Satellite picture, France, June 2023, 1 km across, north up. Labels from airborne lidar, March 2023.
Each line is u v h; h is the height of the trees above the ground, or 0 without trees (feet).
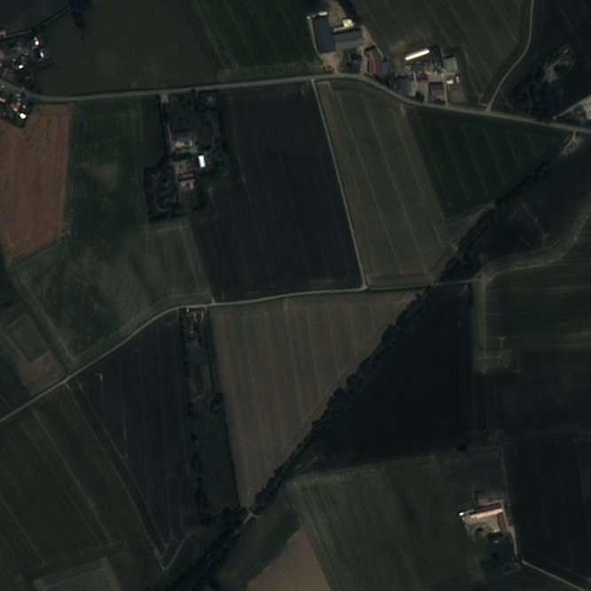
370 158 0
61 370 0
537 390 0
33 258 0
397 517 0
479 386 0
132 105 0
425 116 0
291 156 0
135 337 0
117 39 0
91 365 0
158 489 0
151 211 25
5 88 0
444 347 0
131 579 0
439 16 0
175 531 0
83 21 43
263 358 0
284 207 0
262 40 0
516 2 0
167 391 0
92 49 0
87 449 0
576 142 0
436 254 0
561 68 41
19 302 0
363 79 0
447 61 0
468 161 0
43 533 0
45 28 25
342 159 0
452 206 0
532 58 0
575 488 0
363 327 0
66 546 0
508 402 0
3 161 0
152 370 0
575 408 0
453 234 0
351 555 0
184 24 0
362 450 0
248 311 0
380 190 0
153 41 0
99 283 0
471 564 0
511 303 0
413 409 0
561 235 0
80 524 0
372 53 0
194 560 0
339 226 0
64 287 0
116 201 0
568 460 0
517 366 0
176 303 0
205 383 0
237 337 0
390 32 0
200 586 50
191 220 0
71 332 0
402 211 0
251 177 0
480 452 0
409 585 0
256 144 0
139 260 0
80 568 0
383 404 0
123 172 0
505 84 0
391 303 0
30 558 0
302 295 0
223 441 0
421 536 0
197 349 0
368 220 0
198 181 37
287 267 0
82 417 0
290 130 0
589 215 0
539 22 0
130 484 0
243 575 0
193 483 0
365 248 0
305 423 0
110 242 0
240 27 0
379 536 0
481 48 0
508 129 0
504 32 0
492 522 0
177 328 0
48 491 0
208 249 0
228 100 0
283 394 0
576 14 0
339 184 0
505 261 0
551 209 0
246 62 0
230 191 0
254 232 0
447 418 0
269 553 0
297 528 0
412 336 0
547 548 0
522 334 0
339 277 0
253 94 0
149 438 0
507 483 0
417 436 0
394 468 0
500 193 0
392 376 0
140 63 0
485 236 0
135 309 0
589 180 0
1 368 0
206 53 0
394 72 0
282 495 0
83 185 0
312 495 0
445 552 0
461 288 0
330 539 0
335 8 0
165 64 0
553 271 0
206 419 0
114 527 0
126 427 0
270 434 0
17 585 0
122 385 0
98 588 0
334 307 0
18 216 0
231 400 0
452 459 0
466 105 0
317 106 0
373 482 0
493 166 0
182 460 0
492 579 0
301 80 0
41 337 0
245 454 0
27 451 0
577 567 0
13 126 0
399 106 0
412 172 0
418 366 0
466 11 0
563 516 0
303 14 0
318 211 0
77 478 0
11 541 0
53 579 0
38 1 0
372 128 0
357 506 0
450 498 0
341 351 0
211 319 0
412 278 0
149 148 0
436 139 0
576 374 0
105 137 0
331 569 0
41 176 0
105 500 0
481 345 0
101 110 0
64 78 0
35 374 0
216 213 0
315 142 0
